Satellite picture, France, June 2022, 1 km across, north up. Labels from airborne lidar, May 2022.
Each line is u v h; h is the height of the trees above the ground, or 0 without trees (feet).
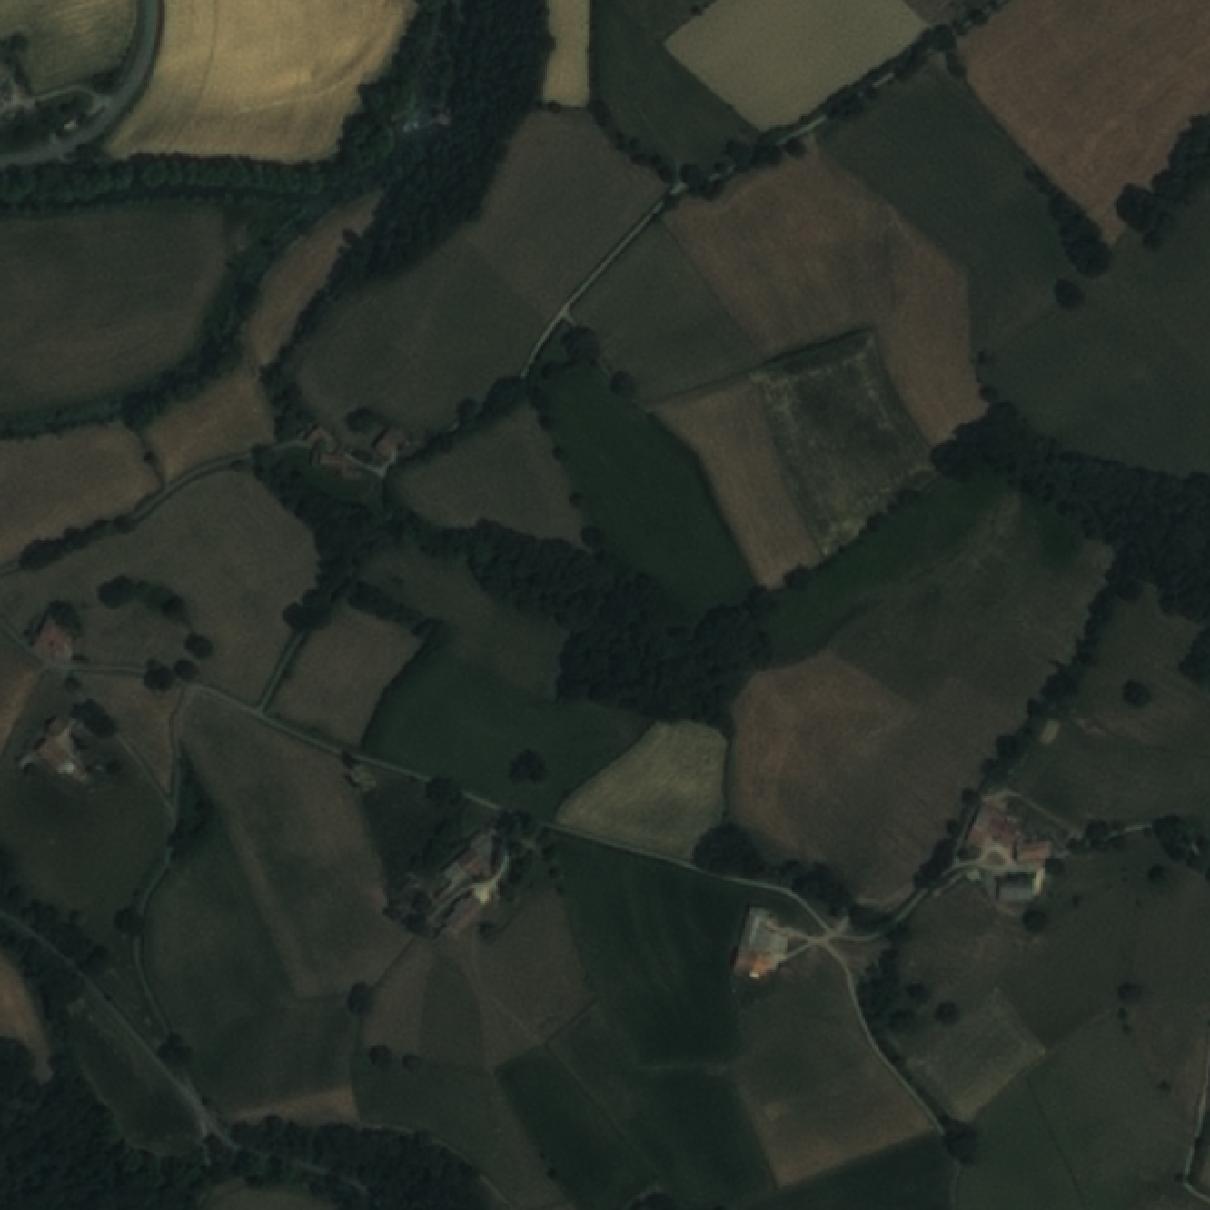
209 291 0
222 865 0
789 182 0
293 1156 69
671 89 0
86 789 0
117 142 0
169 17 0
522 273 0
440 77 36
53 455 0
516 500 0
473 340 0
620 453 0
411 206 57
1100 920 0
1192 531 79
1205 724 0
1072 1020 0
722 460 0
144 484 0
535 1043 0
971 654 0
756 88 0
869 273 0
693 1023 0
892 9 0
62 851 0
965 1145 67
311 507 68
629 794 0
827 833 0
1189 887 0
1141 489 72
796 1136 0
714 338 0
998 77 0
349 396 0
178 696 0
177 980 0
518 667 0
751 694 0
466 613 0
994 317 0
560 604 62
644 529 0
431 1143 20
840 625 0
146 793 0
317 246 0
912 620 0
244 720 0
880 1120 0
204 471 0
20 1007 0
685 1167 0
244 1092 0
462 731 0
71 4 0
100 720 59
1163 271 0
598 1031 0
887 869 0
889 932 27
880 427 0
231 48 0
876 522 50
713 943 0
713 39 0
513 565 80
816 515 0
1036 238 0
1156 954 0
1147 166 0
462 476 0
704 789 0
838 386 0
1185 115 0
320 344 0
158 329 0
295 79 0
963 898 0
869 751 0
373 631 0
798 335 0
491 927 37
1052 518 0
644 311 0
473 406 52
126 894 0
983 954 0
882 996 45
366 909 0
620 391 49
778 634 0
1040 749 0
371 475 0
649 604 82
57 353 0
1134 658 0
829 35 0
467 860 0
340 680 0
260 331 0
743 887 0
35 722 0
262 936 0
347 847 0
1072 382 0
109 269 0
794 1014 0
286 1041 0
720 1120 0
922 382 0
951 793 0
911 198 0
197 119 0
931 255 0
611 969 0
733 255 0
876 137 0
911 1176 0
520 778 32
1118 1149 0
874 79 31
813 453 0
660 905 0
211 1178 54
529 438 0
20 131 43
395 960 0
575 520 0
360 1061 0
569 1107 0
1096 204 0
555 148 0
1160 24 0
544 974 0
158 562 0
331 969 0
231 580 0
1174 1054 0
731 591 0
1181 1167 0
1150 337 0
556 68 0
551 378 30
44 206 24
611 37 0
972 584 0
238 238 0
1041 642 0
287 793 0
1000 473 45
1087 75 0
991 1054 0
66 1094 76
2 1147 83
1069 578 0
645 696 65
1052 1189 0
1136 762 0
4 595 0
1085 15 0
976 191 0
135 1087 0
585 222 0
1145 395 0
